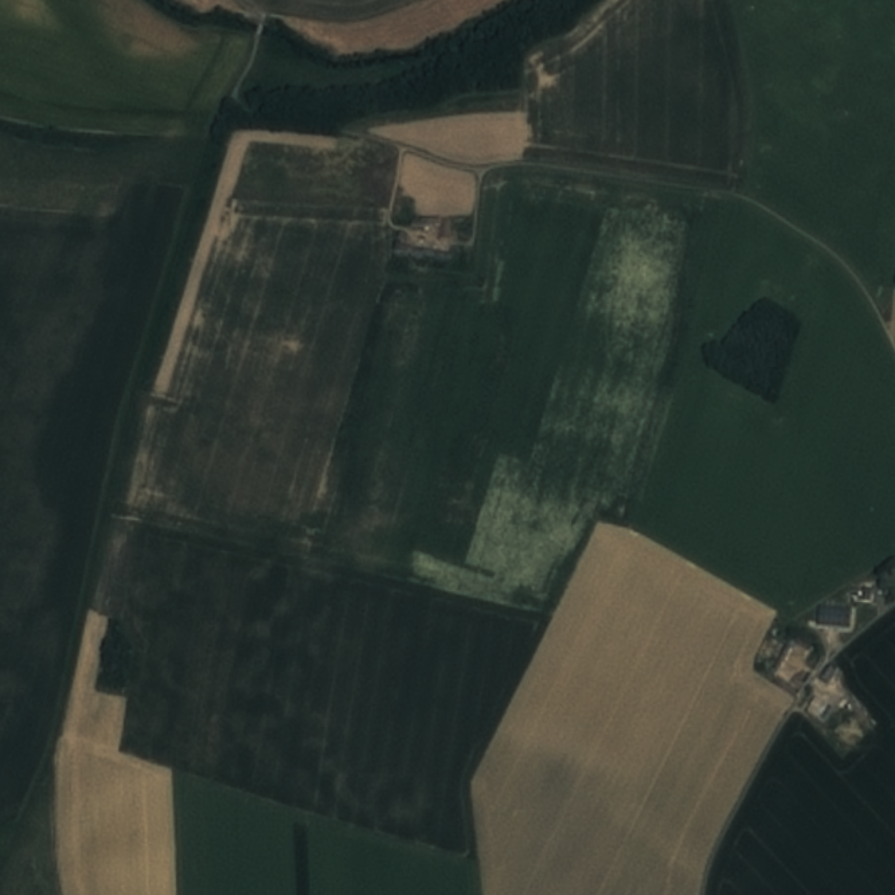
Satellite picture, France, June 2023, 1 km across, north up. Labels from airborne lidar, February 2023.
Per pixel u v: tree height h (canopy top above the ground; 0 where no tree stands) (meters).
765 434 0
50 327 0
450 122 0
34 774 0
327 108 15
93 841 0
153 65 0
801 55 0
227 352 0
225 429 0
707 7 0
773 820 0
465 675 0
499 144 0
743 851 0
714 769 0
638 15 0
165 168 0
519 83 10
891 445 0
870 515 0
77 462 0
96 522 0
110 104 0
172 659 0
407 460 0
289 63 0
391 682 0
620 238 0
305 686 0
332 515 0
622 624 0
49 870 0
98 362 0
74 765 0
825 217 0
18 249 0
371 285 0
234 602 0
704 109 0
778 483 0
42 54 0
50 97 0
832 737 0
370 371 0
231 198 0
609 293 0
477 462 0
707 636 0
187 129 0
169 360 0
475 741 0
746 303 0
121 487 0
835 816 0
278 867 0
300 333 0
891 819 0
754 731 0
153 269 0
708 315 0
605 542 0
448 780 0
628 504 0
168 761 0
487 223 0
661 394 0
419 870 0
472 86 13
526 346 0
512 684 0
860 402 0
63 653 0
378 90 12
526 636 0
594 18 0
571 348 0
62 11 0
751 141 0
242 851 0
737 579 0
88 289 0
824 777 0
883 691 0
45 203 0
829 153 0
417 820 0
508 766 0
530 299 0
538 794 0
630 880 0
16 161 0
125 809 0
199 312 0
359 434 0
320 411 0
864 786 0
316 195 0
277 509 0
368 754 0
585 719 0
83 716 0
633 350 0
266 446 0
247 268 0
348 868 0
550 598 0
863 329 0
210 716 0
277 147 0
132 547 0
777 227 0
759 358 17
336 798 0
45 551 0
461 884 0
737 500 0
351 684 0
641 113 0
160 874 0
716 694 0
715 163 0
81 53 0
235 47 0
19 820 0
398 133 0
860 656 0
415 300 0
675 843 0
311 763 0
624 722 0
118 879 0
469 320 0
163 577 0
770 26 0
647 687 0
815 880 0
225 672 0
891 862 0
